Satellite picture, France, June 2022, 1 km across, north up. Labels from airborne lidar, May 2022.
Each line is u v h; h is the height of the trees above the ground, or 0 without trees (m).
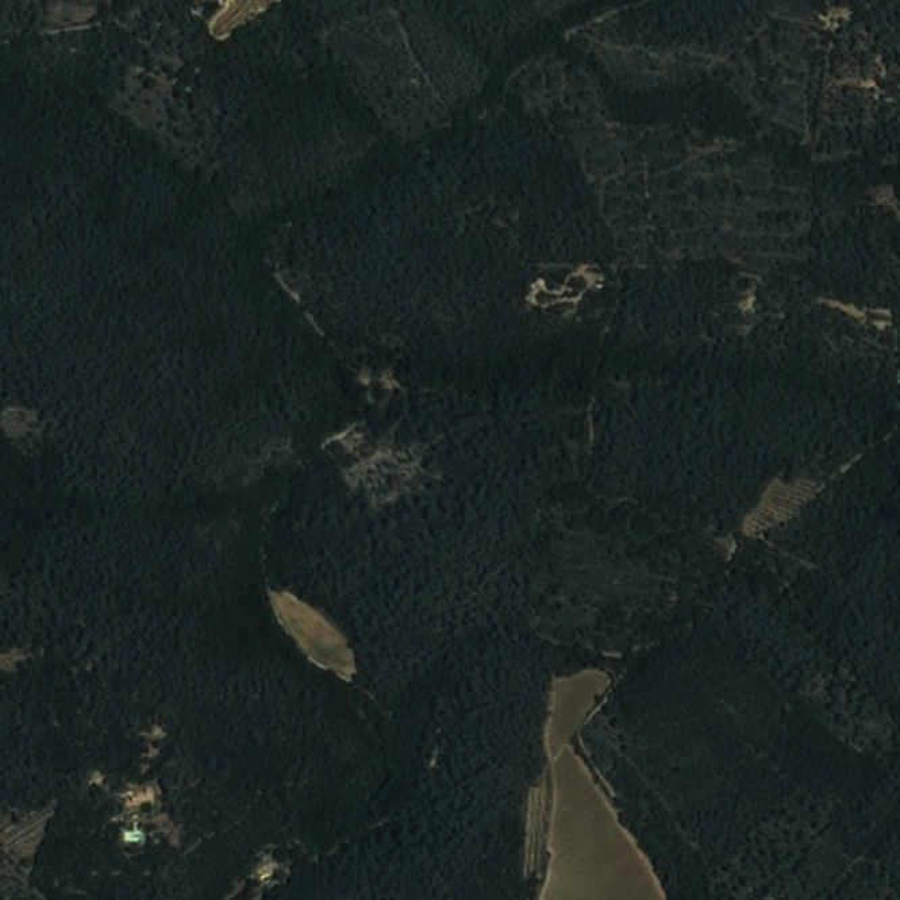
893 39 18
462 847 20
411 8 15
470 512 20
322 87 16
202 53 20
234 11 0
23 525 14
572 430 6
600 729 13
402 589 20
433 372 14
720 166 10
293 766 9
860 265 22
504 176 18
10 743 15
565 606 13
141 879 9
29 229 20
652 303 18
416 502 7
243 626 18
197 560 7
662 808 10
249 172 15
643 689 8
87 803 8
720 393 18
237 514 6
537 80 6
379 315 15
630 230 6
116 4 10
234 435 18
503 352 11
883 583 21
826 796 14
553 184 8
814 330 15
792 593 18
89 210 25
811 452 17
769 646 18
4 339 16
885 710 15
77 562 20
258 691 19
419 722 16
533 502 23
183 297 14
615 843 0
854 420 23
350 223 11
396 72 7
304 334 7
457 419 12
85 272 19
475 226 18
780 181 9
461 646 22
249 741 9
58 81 9
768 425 18
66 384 17
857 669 20
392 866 21
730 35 18
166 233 15
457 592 22
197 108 21
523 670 19
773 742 9
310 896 10
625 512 14
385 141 12
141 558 19
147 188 16
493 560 21
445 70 8
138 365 12
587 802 0
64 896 22
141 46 10
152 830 6
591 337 6
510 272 13
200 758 10
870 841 8
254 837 11
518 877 10
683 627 13
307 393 11
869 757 7
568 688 0
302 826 9
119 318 19
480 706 17
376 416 17
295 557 7
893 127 20
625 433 20
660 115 8
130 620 16
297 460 6
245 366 12
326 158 14
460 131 14
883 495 7
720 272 11
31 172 11
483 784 23
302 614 0
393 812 11
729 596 18
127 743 9
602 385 13
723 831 13
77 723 19
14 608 20
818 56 11
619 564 12
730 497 23
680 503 15
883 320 15
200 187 13
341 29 9
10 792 22
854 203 19
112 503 18
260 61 9
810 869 21
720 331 16
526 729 18
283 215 10
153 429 12
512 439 20
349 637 6
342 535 7
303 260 14
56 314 15
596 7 12
